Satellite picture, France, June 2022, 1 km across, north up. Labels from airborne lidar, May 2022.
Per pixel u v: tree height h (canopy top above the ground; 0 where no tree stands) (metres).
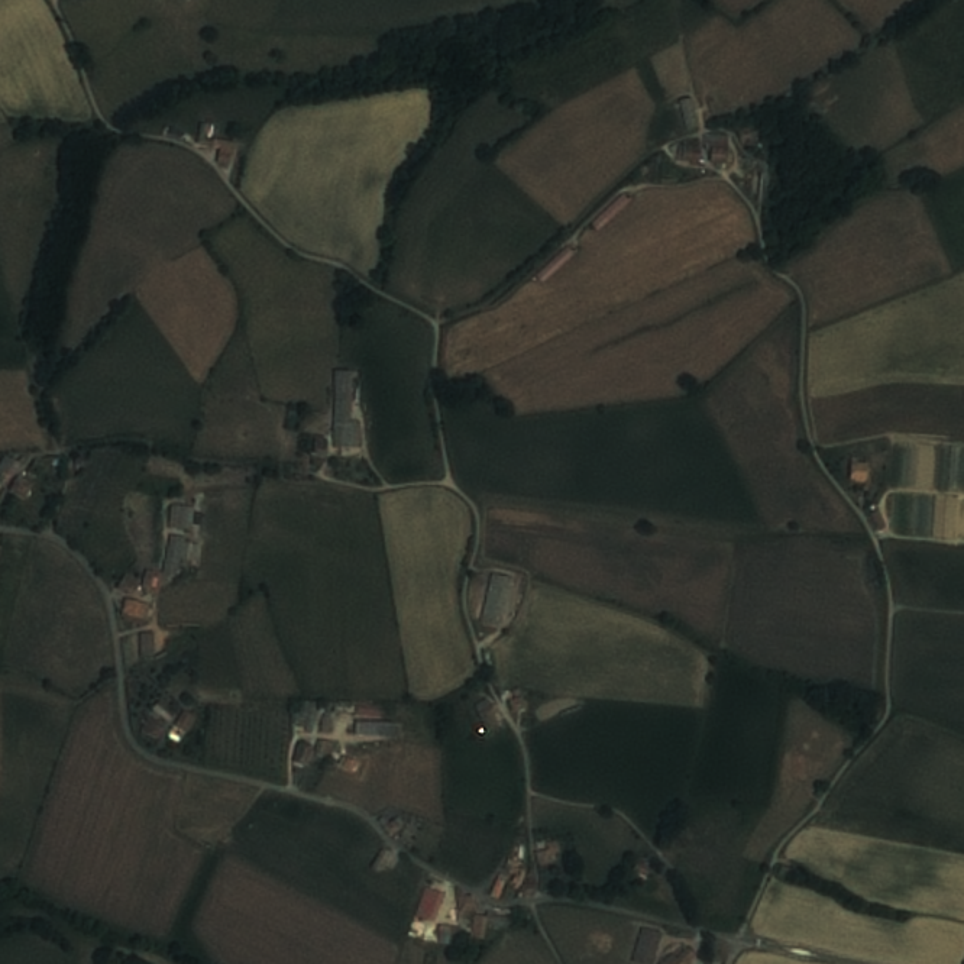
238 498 0
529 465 0
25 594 0
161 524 0
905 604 0
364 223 0
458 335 0
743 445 0
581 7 24
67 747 0
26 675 0
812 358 0
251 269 0
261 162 0
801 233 25
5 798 0
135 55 0
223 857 0
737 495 0
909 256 0
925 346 0
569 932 0
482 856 0
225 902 0
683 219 0
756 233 0
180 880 0
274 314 0
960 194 0
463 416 0
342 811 0
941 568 0
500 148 7
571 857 17
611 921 0
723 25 0
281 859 0
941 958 0
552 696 0
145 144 7
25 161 0
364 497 0
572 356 0
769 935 0
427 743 0
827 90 0
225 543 0
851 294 0
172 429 0
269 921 0
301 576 0
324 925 0
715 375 0
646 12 0
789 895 0
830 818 0
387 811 0
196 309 0
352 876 0
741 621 0
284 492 0
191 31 0
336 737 0
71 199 20
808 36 0
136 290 0
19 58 0
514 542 0
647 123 0
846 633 0
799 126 17
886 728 0
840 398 0
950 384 0
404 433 0
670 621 14
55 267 23
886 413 0
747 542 0
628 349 0
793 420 0
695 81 0
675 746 0
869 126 0
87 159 23
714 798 0
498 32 28
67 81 0
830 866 0
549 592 0
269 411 0
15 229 0
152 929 0
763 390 0
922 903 0
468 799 0
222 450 0
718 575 0
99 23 0
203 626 0
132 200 0
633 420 0
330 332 0
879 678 0
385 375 0
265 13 0
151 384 0
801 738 0
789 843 0
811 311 0
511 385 0
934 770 0
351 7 0
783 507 0
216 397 0
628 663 0
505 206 0
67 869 0
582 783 0
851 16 8
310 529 0
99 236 0
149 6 0
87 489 0
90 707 0
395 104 0
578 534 0
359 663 0
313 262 0
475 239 0
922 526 0
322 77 11
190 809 0
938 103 0
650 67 0
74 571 0
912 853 0
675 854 0
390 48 20
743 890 0
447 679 0
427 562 0
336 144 0
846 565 0
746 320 0
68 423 0
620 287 0
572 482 0
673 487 0
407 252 0
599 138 0
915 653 0
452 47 23
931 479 0
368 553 0
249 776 0
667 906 0
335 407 0
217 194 0
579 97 0
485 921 0
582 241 0
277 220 0
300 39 0
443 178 0
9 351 0
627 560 0
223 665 0
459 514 0
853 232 0
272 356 0
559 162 0
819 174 14
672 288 0
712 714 0
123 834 0
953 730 0
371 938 0
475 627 0
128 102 0
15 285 0
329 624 0
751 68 0
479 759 0
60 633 0
